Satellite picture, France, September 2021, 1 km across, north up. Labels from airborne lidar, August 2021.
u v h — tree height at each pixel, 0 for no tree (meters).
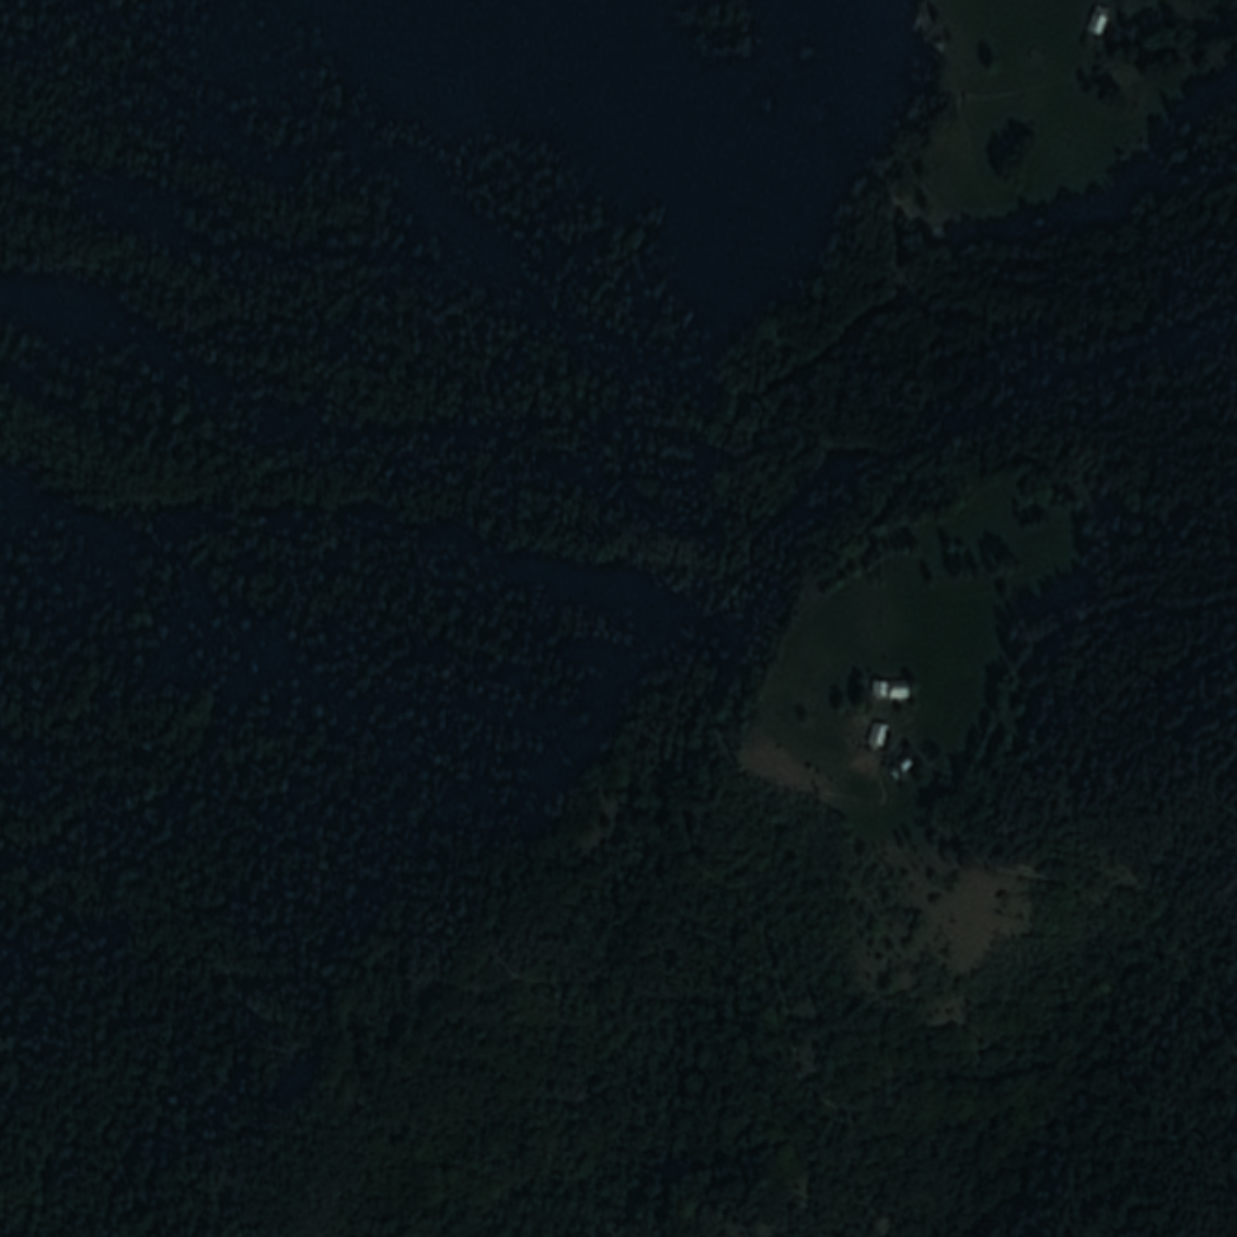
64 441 16
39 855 8
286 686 31
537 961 10
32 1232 24
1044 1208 23
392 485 18
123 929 9
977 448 18
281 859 27
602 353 28
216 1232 7
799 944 20
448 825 27
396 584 27
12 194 22
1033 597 0
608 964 14
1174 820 13
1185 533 33
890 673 0
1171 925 16
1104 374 14
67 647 28
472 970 16
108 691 24
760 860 18
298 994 26
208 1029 28
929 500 22
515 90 19
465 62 24
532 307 25
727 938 15
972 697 0
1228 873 26
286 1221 19
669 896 14
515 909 25
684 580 9
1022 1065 17
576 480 18
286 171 21
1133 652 25
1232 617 20
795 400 20
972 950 0
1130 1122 35
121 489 19
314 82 27
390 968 13
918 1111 18
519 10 15
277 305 22
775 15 15
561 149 12
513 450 31
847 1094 13
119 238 19
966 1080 15
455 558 23
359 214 20
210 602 22
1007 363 24
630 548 17
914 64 6
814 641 0
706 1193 20
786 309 28
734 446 21
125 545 25
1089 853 9
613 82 19
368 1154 17
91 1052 22
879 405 26
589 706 25
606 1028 17
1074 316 27
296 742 25
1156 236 25
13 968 29
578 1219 15
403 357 24
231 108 27
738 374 20
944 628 0
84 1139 26
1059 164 0
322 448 27
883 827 0
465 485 23
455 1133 11
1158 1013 29
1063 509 13
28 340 19
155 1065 28
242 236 21
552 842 28
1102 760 26
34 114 27
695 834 16
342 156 19
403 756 33
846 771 0
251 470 26
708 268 8
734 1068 27
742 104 24
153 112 27
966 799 16
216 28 28
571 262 25
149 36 28
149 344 23
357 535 27
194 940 18
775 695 0
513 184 23
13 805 22
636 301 18
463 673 35
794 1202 6
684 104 25
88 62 30
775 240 23
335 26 15
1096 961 20
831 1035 8
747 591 15
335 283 23
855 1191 14
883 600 0
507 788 24
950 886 6
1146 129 0
